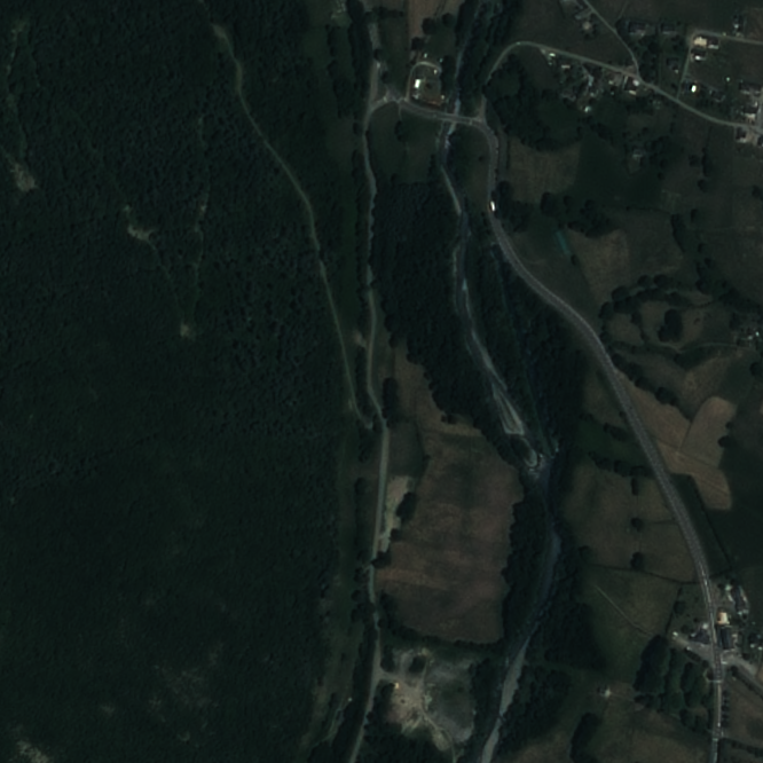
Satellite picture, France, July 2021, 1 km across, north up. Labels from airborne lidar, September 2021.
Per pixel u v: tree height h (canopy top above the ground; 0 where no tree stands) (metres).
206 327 17
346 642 0
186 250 7
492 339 13
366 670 15
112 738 13
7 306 25
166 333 10
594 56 0
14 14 12
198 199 29
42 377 13
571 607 19
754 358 0
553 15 0
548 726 16
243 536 20
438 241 21
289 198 7
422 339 19
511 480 0
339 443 12
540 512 17
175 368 12
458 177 12
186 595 7
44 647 15
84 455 20
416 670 7
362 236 17
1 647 14
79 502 23
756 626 0
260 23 18
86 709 8
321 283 12
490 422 18
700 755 0
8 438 13
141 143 16
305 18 17
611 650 0
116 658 8
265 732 13
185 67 15
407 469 0
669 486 0
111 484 21
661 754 0
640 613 0
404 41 0
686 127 0
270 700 11
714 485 0
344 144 0
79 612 15
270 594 17
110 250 18
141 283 19
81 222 9
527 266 0
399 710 0
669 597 0
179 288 12
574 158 0
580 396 22
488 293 11
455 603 0
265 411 15
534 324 10
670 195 0
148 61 9
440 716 0
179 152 23
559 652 25
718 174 0
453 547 0
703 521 0
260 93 7
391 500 0
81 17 19
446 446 0
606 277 0
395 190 19
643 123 0
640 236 0
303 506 15
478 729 9
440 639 11
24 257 19
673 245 0
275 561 18
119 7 17
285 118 8
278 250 10
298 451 16
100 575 14
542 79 0
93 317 15
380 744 14
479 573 0
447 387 25
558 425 23
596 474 0
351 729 15
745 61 0
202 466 7
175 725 11
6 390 11
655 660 35
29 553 22
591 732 25
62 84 9
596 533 0
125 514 21
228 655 12
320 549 17
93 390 14
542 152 13
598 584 0
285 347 11
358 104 14
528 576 12
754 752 9
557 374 25
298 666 16
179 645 7
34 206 16
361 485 19
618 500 0
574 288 0
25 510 18
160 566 10
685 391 0
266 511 17
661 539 0
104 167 7
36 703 11
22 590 16
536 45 0
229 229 8
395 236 24
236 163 17
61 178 8
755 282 0
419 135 0
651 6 0
